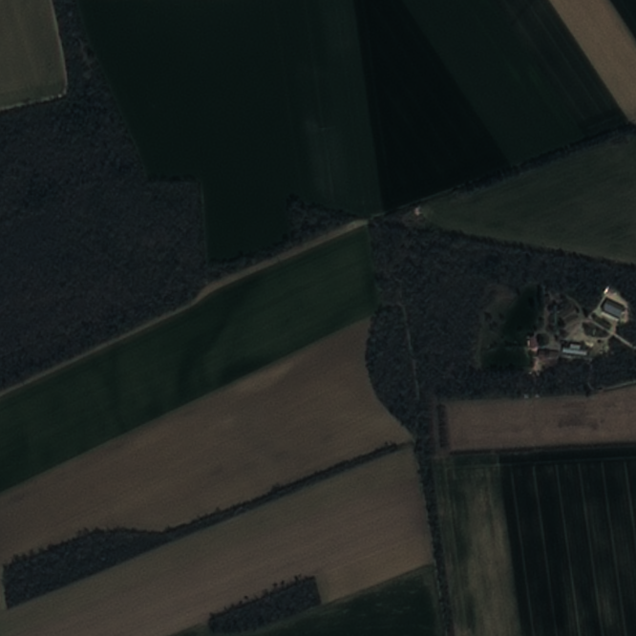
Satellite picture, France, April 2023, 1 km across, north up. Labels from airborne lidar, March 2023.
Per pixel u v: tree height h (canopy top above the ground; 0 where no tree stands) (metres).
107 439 0
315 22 0
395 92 0
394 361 13
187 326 0
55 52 0
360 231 0
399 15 0
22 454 0
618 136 11
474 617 0
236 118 0
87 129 7
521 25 0
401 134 0
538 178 0
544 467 0
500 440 0
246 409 0
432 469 8
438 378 9
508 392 12
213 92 0
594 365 8
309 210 10
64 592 0
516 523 0
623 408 0
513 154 0
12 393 0
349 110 0
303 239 17
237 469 0
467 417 0
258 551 0
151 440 0
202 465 0
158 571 0
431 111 0
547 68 0
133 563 0
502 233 0
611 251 0
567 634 0
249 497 0
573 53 0
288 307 0
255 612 6
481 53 0
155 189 7
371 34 0
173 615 0
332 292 0
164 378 0
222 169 0
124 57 0
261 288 0
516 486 0
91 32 0
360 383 0
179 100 0
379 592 0
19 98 0
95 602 0
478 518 0
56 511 0
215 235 0
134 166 11
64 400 0
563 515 0
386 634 0
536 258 8
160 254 19
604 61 0
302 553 0
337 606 0
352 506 0
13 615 0
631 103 0
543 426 0
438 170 0
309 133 0
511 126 0
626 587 0
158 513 0
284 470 0
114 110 7
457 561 0
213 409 0
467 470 0
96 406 0
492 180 12
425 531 0
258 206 0
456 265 11
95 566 6
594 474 0
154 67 0
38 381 0
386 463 0
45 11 0
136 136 0
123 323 12
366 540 0
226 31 0
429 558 0
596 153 0
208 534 0
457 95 0
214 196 0
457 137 0
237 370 0
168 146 0
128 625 0
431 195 0
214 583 0
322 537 0
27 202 11
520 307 0
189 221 13
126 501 0
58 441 0
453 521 0
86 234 6
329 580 0
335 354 0
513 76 0
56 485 0
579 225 0
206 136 0
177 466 0
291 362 0
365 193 0
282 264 0
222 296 0
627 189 0
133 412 0
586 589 0
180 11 0
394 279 14
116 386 0
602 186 0
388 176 0
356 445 0
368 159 0
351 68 0
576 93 0
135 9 0
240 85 0
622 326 10
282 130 0
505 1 0
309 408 0
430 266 15
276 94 0
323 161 0
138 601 0
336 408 0
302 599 6
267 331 0
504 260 10
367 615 0
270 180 0
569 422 0
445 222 0
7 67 0
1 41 0
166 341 0
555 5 0
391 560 0
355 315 0
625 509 0
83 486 0
